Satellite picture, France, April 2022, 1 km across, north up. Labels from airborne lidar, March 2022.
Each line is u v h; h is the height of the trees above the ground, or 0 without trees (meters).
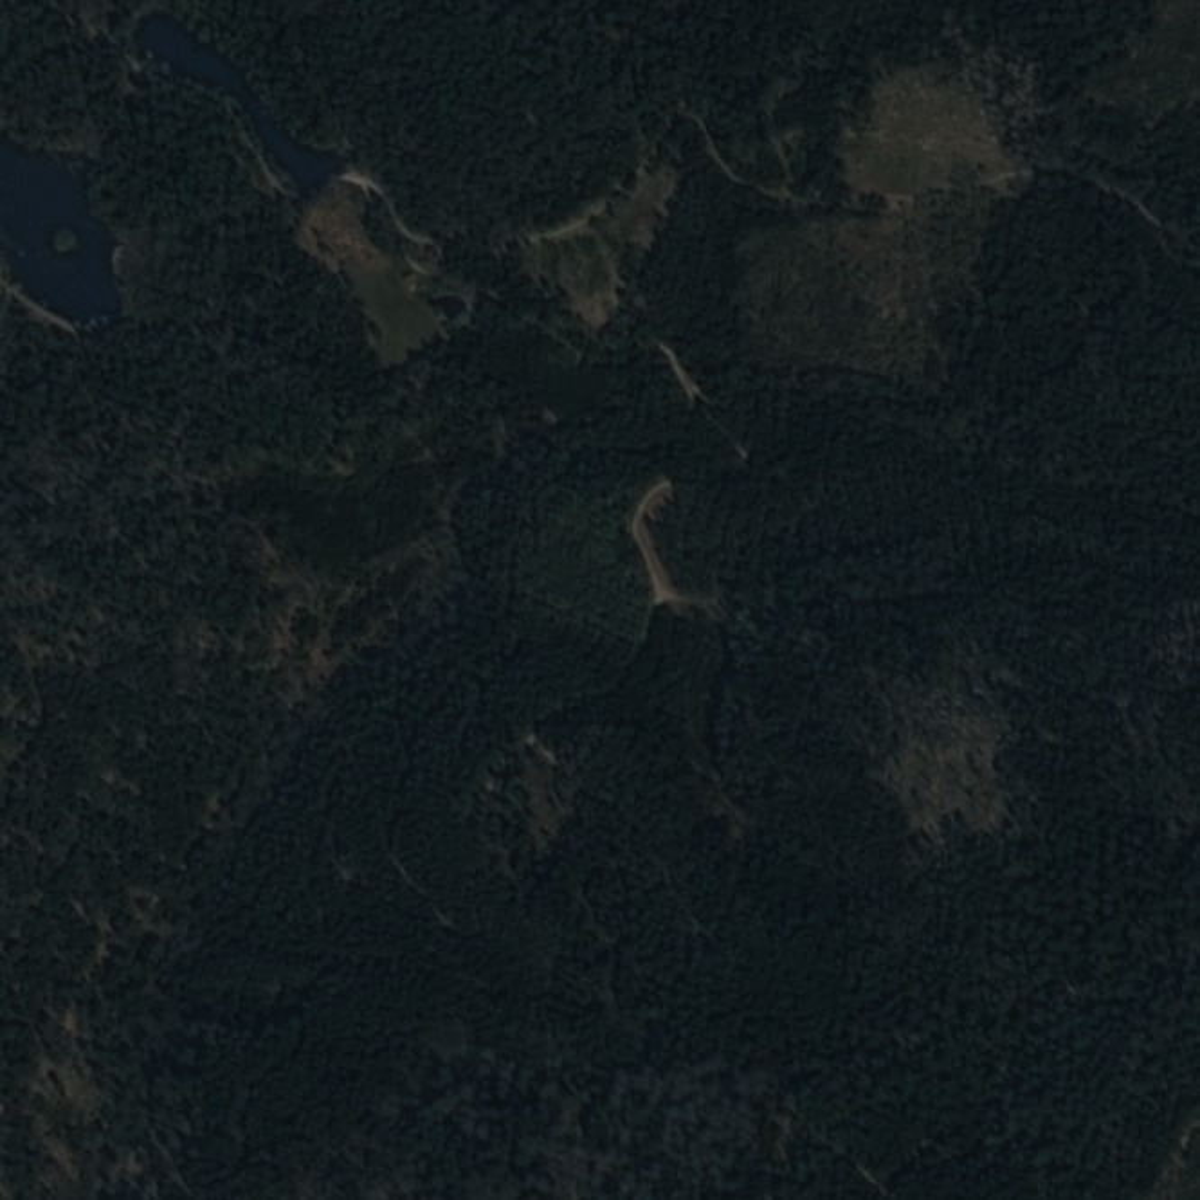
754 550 20
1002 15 20
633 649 19
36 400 32
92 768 18
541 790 0
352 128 20
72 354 28
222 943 26
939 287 11
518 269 22
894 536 21
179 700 32
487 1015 25
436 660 33
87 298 0
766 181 9
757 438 19
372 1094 30
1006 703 25
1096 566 23
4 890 27
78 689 26
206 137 30
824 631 26
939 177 0
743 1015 23
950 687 21
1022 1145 15
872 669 26
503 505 27
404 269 0
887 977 26
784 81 24
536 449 34
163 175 23
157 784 29
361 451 27
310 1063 29
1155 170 8
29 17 31
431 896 19
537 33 31
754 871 11
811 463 23
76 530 22
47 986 20
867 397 21
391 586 7
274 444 25
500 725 16
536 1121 28
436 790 29
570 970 17
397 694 30
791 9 14
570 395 16
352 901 18
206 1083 31
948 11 28
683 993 27
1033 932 33
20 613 24
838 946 20
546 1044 21
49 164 0
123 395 25
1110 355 20
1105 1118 21
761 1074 24
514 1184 26
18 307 16
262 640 30
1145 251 24
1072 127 17
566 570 12
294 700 35
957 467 23
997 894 29
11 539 25
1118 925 31
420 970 31
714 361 12
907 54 24
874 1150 26
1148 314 28
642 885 26
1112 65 19
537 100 28
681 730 10
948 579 26
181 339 23
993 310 18
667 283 16
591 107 28
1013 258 18
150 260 13
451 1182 29
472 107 28
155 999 25
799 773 23
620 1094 28
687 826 26
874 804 21
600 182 8
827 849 22
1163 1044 15
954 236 7
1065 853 27
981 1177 11
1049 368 18
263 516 10
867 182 0
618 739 22
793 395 6
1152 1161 19
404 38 30
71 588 27
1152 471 28
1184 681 25
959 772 0
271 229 22
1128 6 11
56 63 33
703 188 19
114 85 30
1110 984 27
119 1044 21
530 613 18
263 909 29
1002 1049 24
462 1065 18
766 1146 12
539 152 26
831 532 22
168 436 26
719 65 25
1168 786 19
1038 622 24
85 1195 22
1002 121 17
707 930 25
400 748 32
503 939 20
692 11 9
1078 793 27
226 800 29
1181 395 25
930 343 9
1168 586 21
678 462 19
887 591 32
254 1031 15
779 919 16
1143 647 21
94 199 19
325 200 20
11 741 24
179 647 29
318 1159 25
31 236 0
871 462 20
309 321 19
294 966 25
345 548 11
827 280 6
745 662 26
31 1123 8
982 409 12
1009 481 15
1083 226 25
